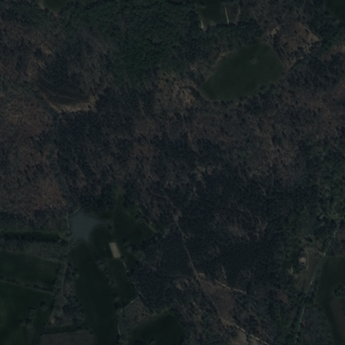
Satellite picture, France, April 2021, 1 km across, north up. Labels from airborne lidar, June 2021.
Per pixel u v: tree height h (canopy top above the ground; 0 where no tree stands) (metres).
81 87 21
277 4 7
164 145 18
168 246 25
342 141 15
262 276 16
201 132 7
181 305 21
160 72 19
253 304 14
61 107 0
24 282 0
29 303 0
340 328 0
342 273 0
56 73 23
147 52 15
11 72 9
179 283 6
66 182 13
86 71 12
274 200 13
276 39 17
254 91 0
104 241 0
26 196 9
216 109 15
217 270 10
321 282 0
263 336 13
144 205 11
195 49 24
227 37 18
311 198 21
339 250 16
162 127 19
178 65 15
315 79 10
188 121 22
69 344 0
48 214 18
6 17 23
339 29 11
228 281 9
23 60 20
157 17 17
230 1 9
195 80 22
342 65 13
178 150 28
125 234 0
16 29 11
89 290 0
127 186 17
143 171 15
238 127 13
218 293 0
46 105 14
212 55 15
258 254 13
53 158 17
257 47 0
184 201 14
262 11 8
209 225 10
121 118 20
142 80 25
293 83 20
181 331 0
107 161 12
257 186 15
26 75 12
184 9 19
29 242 16
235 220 8
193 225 14
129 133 25
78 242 0
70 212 16
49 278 0
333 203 14
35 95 12
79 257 0
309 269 0
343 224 15
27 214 12
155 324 0
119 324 14
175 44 16
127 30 10
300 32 11
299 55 19
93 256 0
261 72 0
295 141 21
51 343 0
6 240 15
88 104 0
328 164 21
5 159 7
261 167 7
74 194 26
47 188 0
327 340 14
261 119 10
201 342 15
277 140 17
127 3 23
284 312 19
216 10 0
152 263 17
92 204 28
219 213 14
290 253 10
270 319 15
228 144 10
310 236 11
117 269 0
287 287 9
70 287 13
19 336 0
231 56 0
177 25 16
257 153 9
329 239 16
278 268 15
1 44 10
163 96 21
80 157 13
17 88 20
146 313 8
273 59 0
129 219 0
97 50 16
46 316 0
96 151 8
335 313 0
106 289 0
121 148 21
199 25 21
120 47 14
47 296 0
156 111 23
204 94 0
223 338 12
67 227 15
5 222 19
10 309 0
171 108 20
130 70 16
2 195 13
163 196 20
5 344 0
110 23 12
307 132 9
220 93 0
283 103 25
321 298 0
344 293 11
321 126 10
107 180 21
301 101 9
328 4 0
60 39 14
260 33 20
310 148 17
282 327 22
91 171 19
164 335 0
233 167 16
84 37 16
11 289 0
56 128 18
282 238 25
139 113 26
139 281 23
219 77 0
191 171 6
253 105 21
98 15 25
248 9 7
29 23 21
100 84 8
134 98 23
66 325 13
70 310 22
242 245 12
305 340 13
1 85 22
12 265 0
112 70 19
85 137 20
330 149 14
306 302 17
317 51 19
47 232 18
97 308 0
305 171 16
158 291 24
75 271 13
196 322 8
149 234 0
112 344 0
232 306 0
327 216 17
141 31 17
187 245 13
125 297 0
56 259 21
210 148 22
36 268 0
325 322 14
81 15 18
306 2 8
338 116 6
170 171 8
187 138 6
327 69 17
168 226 22
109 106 22
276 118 6
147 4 22
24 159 8
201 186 17
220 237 15
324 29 9
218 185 14
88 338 0
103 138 20
